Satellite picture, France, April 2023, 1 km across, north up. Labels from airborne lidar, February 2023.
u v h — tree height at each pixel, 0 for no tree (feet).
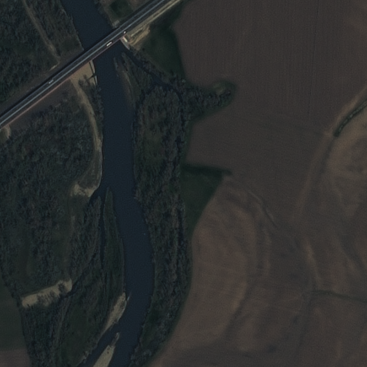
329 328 0
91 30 0
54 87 0
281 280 0
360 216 0
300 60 0
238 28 0
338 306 0
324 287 0
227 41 0
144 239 0
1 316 0
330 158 0
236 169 0
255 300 0
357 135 0
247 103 0
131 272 0
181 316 0
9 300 0
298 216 0
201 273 0
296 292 0
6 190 79
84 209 0
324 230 0
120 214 0
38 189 68
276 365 0
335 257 0
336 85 0
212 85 0
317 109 0
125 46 0
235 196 0
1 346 0
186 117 73
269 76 0
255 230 0
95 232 64
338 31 0
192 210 0
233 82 0
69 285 0
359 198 0
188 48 0
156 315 0
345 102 0
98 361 0
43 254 59
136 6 0
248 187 0
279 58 0
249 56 0
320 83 0
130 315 0
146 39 0
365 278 0
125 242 0
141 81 52
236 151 0
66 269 0
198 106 48
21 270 0
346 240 0
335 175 0
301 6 0
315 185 0
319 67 0
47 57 0
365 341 0
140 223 0
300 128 0
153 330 0
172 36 0
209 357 0
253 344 0
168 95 82
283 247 0
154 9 0
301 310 0
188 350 0
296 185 0
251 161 0
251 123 0
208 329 0
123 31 0
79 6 0
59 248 0
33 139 37
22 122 0
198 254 0
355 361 0
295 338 0
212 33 0
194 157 0
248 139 0
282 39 0
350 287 0
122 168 0
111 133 0
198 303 0
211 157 0
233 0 0
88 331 0
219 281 0
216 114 0
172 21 0
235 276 0
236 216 0
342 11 0
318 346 0
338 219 0
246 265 0
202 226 0
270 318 0
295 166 0
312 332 0
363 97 0
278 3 0
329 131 0
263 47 0
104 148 0
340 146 0
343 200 0
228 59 0
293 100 0
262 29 0
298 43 0
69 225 0
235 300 0
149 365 0
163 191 101
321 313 0
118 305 0
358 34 0
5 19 76
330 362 0
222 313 0
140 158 28
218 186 0
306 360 0
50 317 59
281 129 0
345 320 0
